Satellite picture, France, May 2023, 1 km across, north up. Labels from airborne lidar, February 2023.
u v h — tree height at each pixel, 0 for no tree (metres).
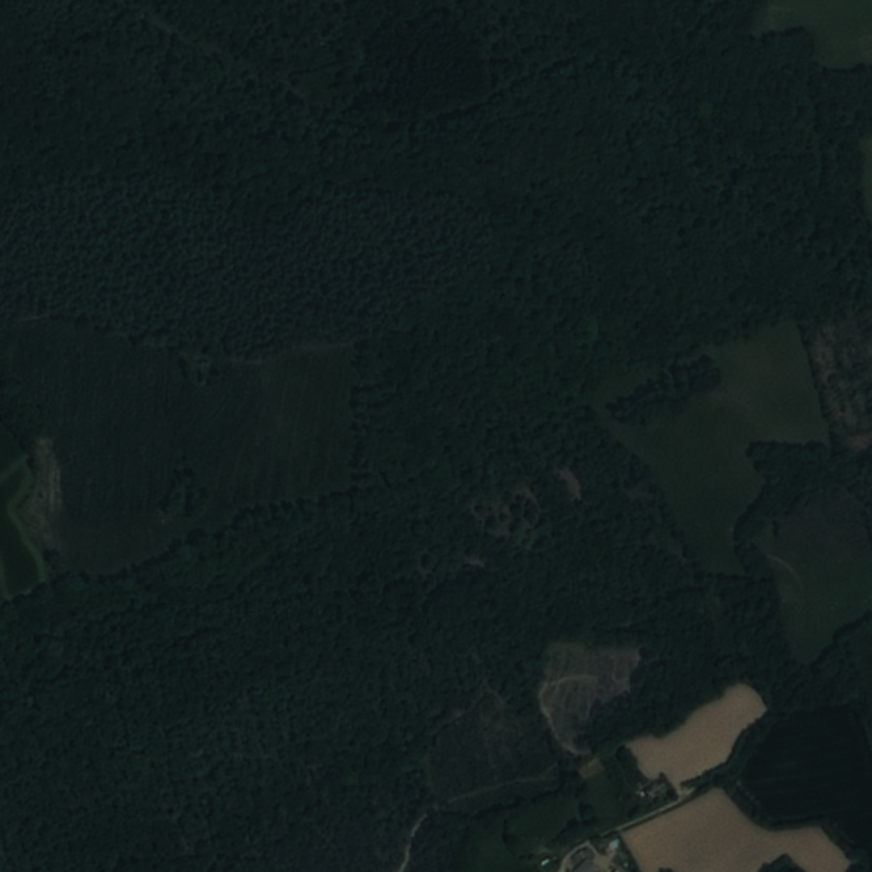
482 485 15
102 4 24
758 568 16
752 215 20
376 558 16
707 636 16
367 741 11
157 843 20
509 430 21
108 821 18
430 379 16
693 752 0
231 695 19
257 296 34
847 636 16
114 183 29
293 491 0
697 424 0
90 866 20
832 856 0
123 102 23
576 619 20
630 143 22
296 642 20
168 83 22
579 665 0
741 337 8
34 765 20
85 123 15
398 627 22
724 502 0
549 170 24
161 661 19
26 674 17
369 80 18
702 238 23
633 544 10
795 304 20
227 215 24
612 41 22
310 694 17
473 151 26
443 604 23
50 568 16
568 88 22
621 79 23
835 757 0
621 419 17
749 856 0
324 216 31
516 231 18
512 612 21
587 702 0
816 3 0
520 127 26
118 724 20
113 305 31
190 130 21
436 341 19
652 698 20
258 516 21
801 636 0
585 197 23
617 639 22
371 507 7
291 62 17
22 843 17
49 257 30
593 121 18
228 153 25
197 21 15
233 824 15
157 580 22
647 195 23
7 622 19
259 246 32
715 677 16
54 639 12
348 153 20
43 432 23
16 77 18
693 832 0
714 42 17
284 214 19
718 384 16
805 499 10
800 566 0
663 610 20
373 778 12
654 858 0
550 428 8
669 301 16
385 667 18
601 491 13
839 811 0
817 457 21
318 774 12
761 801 0
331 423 0
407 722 16
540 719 14
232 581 7
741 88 18
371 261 29
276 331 33
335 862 17
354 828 15
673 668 16
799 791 0
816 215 17
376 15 24
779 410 0
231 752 17
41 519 0
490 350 18
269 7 10
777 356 0
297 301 38
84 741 21
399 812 10
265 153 28
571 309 19
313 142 12
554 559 17
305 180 17
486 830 11
